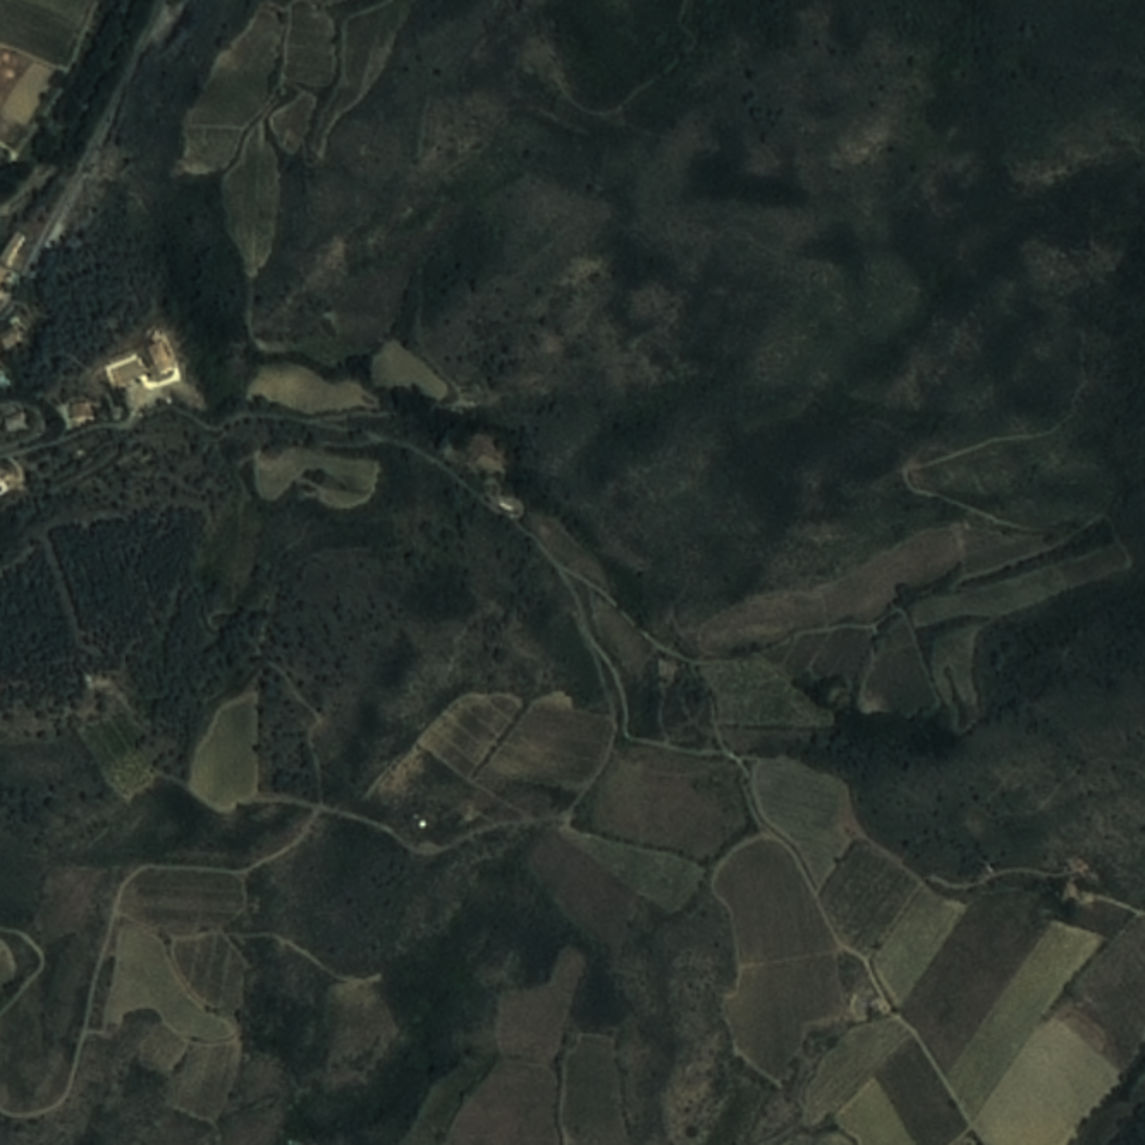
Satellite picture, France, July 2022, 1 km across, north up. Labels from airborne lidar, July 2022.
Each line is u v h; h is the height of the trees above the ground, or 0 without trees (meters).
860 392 0
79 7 0
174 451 6
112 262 10
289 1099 7
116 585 13
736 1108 0
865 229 0
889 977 0
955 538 0
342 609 8
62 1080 0
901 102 0
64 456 11
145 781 0
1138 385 7
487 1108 0
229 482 11
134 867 0
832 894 0
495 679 6
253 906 0
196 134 0
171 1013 0
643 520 0
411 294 11
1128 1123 6
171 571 13
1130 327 8
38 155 8
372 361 13
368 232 9
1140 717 0
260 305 10
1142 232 6
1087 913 0
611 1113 0
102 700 10
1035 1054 0
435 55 0
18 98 0
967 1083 0
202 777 0
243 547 0
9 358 8
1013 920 0
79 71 13
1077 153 0
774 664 0
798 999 0
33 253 0
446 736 0
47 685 8
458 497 13
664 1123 0
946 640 0
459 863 0
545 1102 0
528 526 8
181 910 0
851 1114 0
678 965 0
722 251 0
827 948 0
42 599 10
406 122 0
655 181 0
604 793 0
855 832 0
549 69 0
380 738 0
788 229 0
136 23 13
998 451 0
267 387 0
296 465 0
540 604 7
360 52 0
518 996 0
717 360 6
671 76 6
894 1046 0
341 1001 0
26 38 0
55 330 13
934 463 0
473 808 0
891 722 9
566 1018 0
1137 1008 0
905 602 7
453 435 9
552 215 0
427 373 0
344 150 0
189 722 10
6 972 0
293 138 0
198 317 14
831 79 0
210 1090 0
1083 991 0
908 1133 0
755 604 0
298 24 0
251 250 0
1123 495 8
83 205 0
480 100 0
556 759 0
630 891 0
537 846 0
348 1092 6
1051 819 0
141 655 12
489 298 0
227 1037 0
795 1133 0
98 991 0
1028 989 0
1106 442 6
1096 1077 0
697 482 0
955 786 0
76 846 0
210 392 9
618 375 0
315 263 0
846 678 7
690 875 0
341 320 0
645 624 10
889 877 0
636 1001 0
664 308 0
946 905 0
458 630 0
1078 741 0
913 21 7
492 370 7
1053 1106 0
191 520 8
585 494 0
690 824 0
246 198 0
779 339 0
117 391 8
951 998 0
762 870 0
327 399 0
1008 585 0
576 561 0
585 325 0
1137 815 0
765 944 0
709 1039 0
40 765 0
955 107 5
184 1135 0
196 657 12
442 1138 7
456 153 0
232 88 0
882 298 0
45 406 6
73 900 0
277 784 11
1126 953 0
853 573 0
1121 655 5
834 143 0
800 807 0
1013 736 0
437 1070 11
